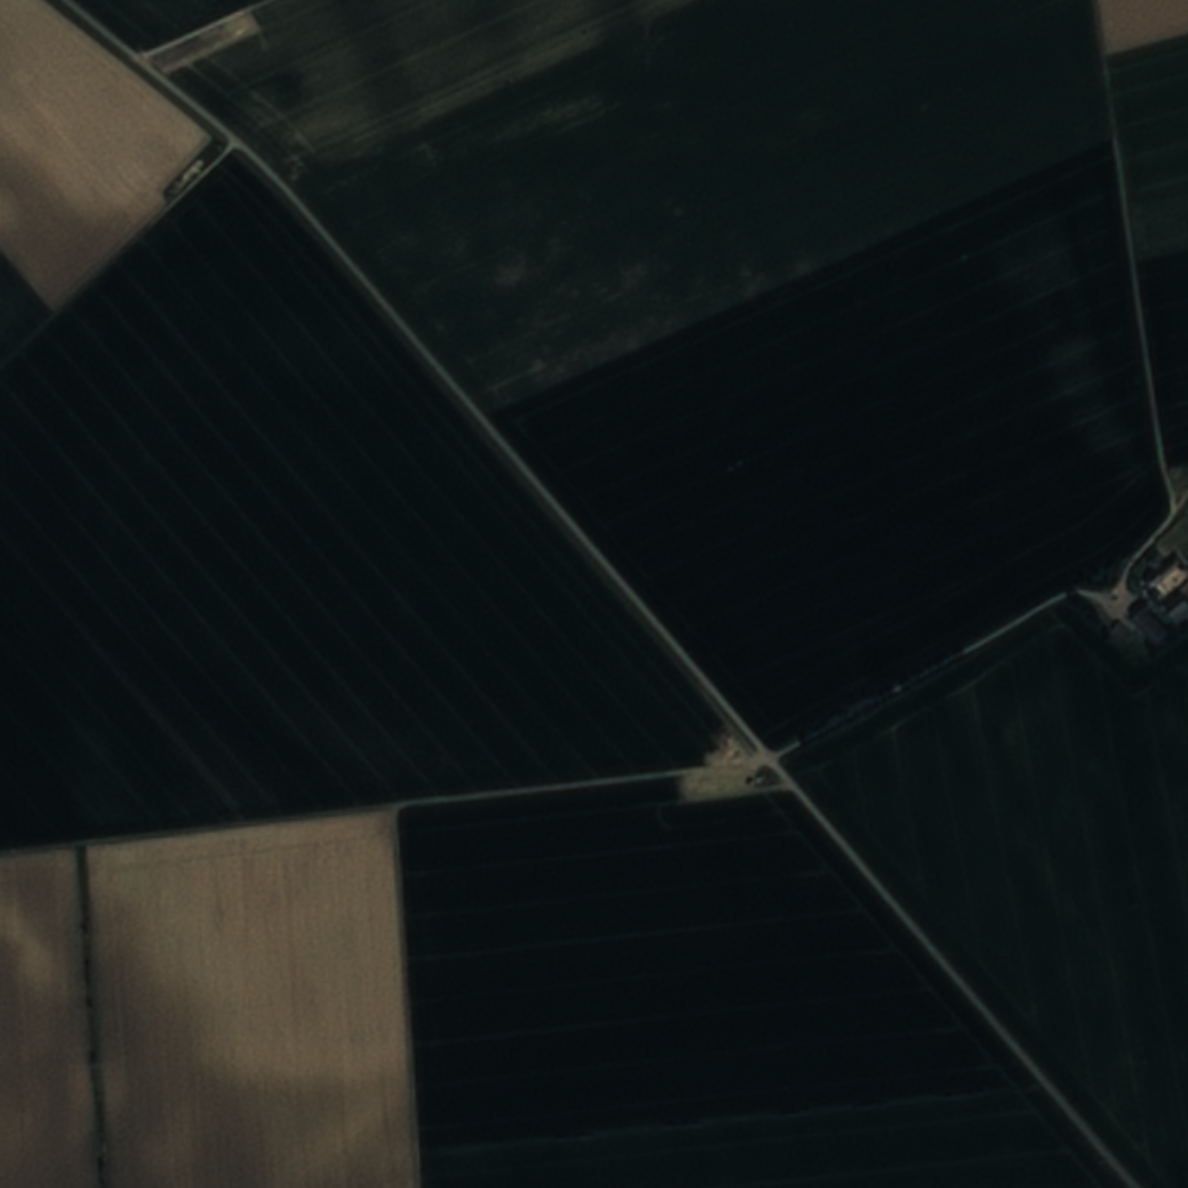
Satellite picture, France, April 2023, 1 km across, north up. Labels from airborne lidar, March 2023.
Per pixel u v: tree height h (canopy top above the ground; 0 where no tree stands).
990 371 0
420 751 0
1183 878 0
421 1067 0
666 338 0
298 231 0
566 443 0
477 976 0
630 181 0
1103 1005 0
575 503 0
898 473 0
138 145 0
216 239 0
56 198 0
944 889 0
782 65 0
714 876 0
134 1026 0
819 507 0
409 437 0
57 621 0
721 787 0
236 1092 0
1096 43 0
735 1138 0
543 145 0
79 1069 0
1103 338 0
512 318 0
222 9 0
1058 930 0
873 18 0
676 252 0
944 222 0
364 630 0
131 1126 0
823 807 0
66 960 0
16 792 0
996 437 0
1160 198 0
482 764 0
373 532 0
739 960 0
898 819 0
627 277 0
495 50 0
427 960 0
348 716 0
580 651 0
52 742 0
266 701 0
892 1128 0
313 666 0
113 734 0
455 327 0
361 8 0
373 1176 0
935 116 0
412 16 0
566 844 0
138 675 0
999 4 0
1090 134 0
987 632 0
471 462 0
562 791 0
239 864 0
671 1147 0
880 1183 0
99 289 0
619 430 0
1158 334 0
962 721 0
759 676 0
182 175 0
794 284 0
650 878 0
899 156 0
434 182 0
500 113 0
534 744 0
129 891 0
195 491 0
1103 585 8
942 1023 0
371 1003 0
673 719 0
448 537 0
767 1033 0
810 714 0
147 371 0
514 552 0
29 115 0
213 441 0
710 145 0
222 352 0
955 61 0
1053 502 0
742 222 0
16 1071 0
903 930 0
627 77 0
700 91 0
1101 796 0
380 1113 0
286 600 0
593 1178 0
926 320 0
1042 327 0
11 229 0
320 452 0
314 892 0
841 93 0
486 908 0
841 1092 0
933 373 0
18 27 0
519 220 0
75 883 0
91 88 0
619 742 0
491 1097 0
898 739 0
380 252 0
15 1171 0
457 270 0
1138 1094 0
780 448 0
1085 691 0
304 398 0
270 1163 0
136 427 0
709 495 0
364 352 0
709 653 0
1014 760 0
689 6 0
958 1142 0
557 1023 0
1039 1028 0
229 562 0
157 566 0
